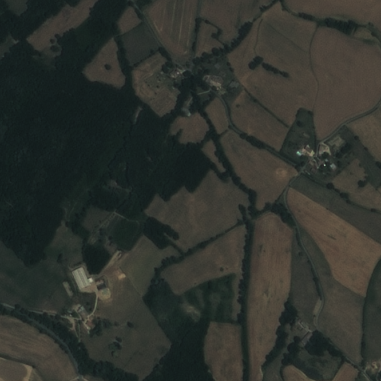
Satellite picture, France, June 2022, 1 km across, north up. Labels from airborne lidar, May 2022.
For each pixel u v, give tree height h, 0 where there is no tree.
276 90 0
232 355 0
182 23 0
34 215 16
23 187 10
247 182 0
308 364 0
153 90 0
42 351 0
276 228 0
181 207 0
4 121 19
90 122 10
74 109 7
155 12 0
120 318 0
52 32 0
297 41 0
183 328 8
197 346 12
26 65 18
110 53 0
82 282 0
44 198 15
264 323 0
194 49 9
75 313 11
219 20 0
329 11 0
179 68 10
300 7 0
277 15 0
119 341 23
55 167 13
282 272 0
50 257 0
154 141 14
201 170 14
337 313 0
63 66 25
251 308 0
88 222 0
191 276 0
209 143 0
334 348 19
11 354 0
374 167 0
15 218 14
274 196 0
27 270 0
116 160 16
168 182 11
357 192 0
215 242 0
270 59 0
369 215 0
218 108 0
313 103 0
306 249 0
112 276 0
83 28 0
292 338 0
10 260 0
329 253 0
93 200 14
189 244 0
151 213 0
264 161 0
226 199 0
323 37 0
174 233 16
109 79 0
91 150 20
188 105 0
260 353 0
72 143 11
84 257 5
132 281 0
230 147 0
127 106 16
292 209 0
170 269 0
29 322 9
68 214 0
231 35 0
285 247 0
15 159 15
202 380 24
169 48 0
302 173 6
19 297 0
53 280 0
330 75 0
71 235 0
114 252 0
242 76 0
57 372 0
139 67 0
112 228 0
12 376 0
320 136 0
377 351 0
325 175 6
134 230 0
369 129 0
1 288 0
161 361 11
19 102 19
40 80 20
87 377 0
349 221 0
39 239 15
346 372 0
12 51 16
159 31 0
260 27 0
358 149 0
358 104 0
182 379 20
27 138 15
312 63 0
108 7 18
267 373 0
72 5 9
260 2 0
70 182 18
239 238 0
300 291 0
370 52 0
